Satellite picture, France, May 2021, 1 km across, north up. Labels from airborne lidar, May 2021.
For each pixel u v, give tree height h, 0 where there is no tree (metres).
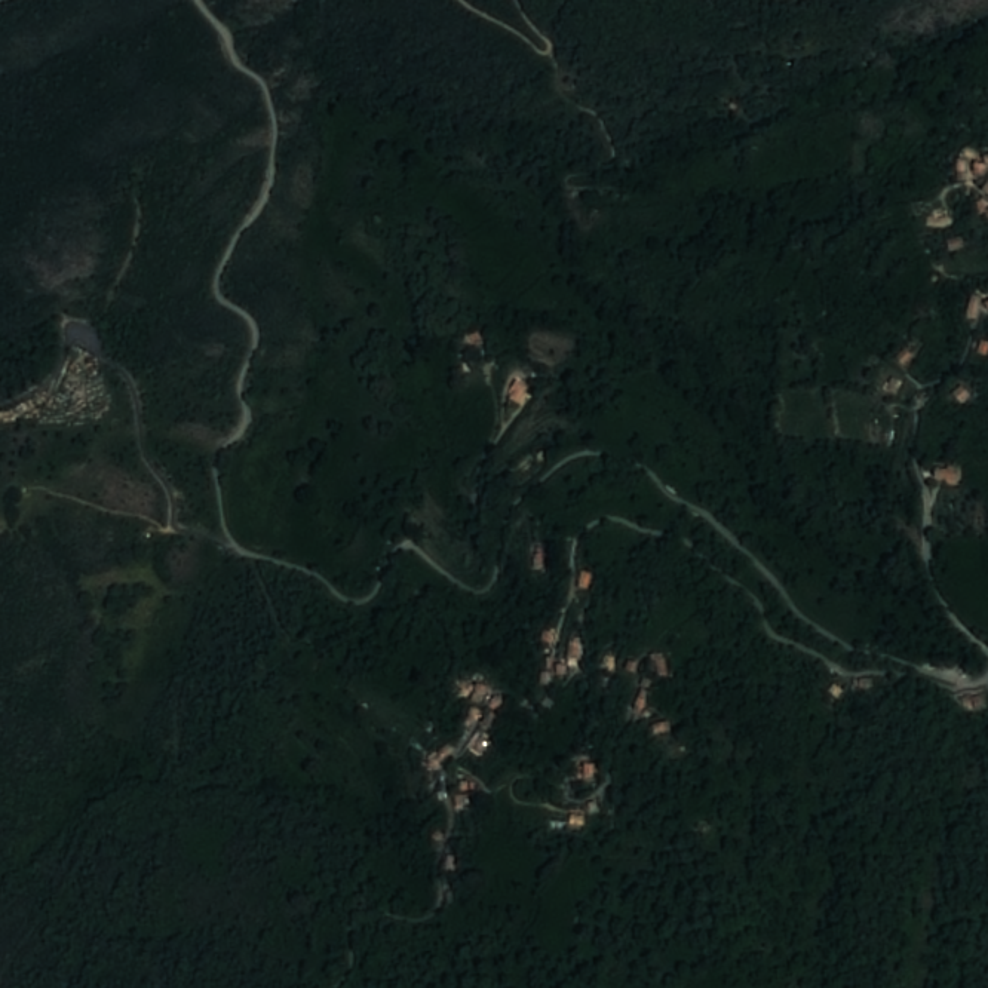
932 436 0
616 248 7
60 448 0
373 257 0
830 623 0
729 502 13
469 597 7
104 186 6
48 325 7
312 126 7
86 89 5
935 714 11
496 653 18
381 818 10
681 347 8
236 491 0
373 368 13
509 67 7
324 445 12
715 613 16
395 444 0
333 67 11
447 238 8
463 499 11
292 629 9
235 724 11
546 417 0
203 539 0
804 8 16
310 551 0
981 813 12
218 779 10
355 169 0
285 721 10
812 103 8
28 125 8
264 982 9
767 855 13
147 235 7
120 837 7
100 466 0
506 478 14
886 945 7
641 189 7
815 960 8
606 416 10
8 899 7
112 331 12
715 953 10
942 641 7
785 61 10
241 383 0
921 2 0
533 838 11
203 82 6
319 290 0
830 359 0
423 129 8
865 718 7
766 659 10
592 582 6
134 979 8
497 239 0
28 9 6
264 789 8
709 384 9
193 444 0
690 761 6
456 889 10
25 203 7
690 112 9
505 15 6
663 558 13
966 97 6
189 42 6
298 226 6
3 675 8
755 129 17
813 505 13
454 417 0
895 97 10
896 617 13
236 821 6
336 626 8
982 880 7
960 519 7
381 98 14
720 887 16
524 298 0
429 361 9
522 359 6
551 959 15
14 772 6
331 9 6
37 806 10
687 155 15
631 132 10
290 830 7
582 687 10
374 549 0
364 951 12
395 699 9
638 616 9
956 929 21
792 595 0
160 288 7
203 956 13
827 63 12
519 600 10
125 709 0
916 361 7
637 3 14
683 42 12
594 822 0
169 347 6
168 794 13
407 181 8
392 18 6
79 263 0
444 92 14
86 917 6
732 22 11
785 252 12
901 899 12
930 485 13
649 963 11
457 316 11
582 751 6
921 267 0
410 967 10
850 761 7
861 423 0
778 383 13
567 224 13
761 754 11
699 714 18
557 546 16
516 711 9
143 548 14
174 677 8
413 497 7
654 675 10
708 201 7
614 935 13
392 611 11
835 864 12
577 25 13
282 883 6
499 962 14
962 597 0
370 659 14
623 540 0
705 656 11
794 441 11
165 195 9
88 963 11
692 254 10
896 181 7
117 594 14
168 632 0
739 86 11
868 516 9
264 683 6
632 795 19
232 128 7
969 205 6
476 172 7
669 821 16
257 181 7
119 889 10
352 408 0
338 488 0
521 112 14
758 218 17
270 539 0
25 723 6
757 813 11
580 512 0
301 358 0
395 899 15
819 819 18
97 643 14
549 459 10
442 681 7
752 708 14
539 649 11
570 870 0
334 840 9
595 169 16
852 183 8
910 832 20
